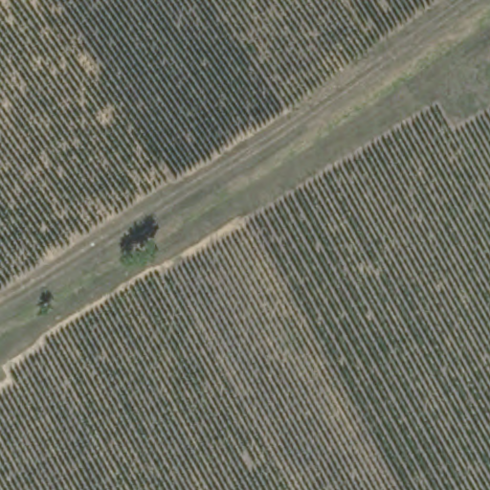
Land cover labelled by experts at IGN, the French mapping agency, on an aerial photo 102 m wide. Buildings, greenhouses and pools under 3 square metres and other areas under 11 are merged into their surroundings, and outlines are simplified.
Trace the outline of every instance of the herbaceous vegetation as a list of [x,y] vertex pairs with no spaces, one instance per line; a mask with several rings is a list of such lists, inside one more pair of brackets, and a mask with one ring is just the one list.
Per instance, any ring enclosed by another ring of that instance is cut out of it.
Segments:
[[[314,180],[323,178],[323,174],[327,174],[329,170],[341,167],[346,161],[358,157],[371,145],[381,142],[383,138],[389,138],[392,132],[400,130],[402,126],[412,124],[417,117],[431,111],[433,107],[440,109],[442,119],[450,124],[452,130],[477,121],[484,113],[490,111],[490,0],[431,0],[410,13],[408,19],[396,23],[387,33],[381,34],[367,48],[364,59],[360,59],[354,65],[346,63],[339,67],[339,71],[335,71],[335,75],[327,78],[322,86],[316,86],[314,90],[302,94],[302,98],[291,103],[289,107],[283,107],[268,121],[247,128],[245,132],[239,132],[230,142],[212,151],[211,157],[207,157],[205,161],[199,161],[178,174],[172,174],[165,163],[151,168],[145,174],[145,182],[151,188],[149,191],[136,193],[132,203],[124,205],[121,211],[109,212],[88,232],[73,232],[69,235],[69,243],[50,247],[29,270],[11,276],[10,281],[0,285],[0,381],[10,379],[13,367],[19,366],[25,358],[44,348],[46,339],[56,335],[57,331],[67,327],[69,323],[77,322],[78,318],[100,308],[101,304],[115,299],[124,289],[130,289],[136,281],[142,281],[153,272],[167,274],[168,268],[182,264],[189,256],[197,255],[199,251],[207,249],[209,245],[220,241],[222,237],[232,234],[235,230],[241,230],[249,220],[260,216],[266,209],[276,207],[279,201],[295,195],[299,189],[308,188]],[[157,243],[155,264],[147,264],[140,272],[136,268],[122,268],[121,255],[136,253],[149,237],[155,237]]]

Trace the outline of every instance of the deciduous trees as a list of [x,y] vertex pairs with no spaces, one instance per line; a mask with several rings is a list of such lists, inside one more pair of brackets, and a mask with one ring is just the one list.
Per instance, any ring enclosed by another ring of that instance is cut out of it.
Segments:
[[149,237],[136,253],[121,255],[122,268],[136,268],[140,272],[147,264],[155,264],[157,243],[155,237]]

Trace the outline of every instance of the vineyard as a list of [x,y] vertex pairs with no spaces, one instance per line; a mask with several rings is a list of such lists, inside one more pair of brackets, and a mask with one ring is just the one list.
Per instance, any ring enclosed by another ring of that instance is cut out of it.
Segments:
[[178,174],[199,161],[205,161],[207,157],[211,157],[212,151],[230,142],[239,132],[245,132],[247,128],[268,121],[283,107],[289,107],[291,103],[302,98],[302,94],[314,90],[316,86],[322,86],[327,78],[335,75],[335,71],[339,71],[339,67],[346,63],[354,65],[360,59],[364,59],[367,48],[381,34],[387,33],[396,23],[408,19],[410,13],[431,0],[0,0],[0,285],[10,281],[11,276],[29,270],[50,247],[69,243],[69,235],[73,232],[88,232],[109,212],[121,211],[124,205],[132,203],[136,193],[149,191],[151,188],[145,182],[145,174],[151,168],[165,163],[172,174]]
[[450,124],[442,119],[440,109],[433,107],[431,111],[417,117],[412,124],[402,126],[400,130],[392,132],[389,138],[383,138],[381,142],[371,145],[358,157],[346,161],[341,167],[329,170],[327,174],[323,174],[323,178],[314,180],[308,188],[299,189],[295,195],[279,201],[276,207],[266,209],[260,216],[249,220],[241,230],[235,230],[232,234],[222,237],[220,241],[209,245],[207,249],[199,251],[197,255],[189,256],[182,264],[168,268],[167,274],[153,272],[142,281],[136,281],[130,289],[124,289],[115,299],[101,304],[100,308],[78,318],[77,322],[69,323],[67,327],[57,331],[56,335],[46,339],[44,348],[25,358],[19,366],[13,367],[10,379],[0,381],[0,490],[490,490],[490,111],[484,113],[477,121],[452,130]]

